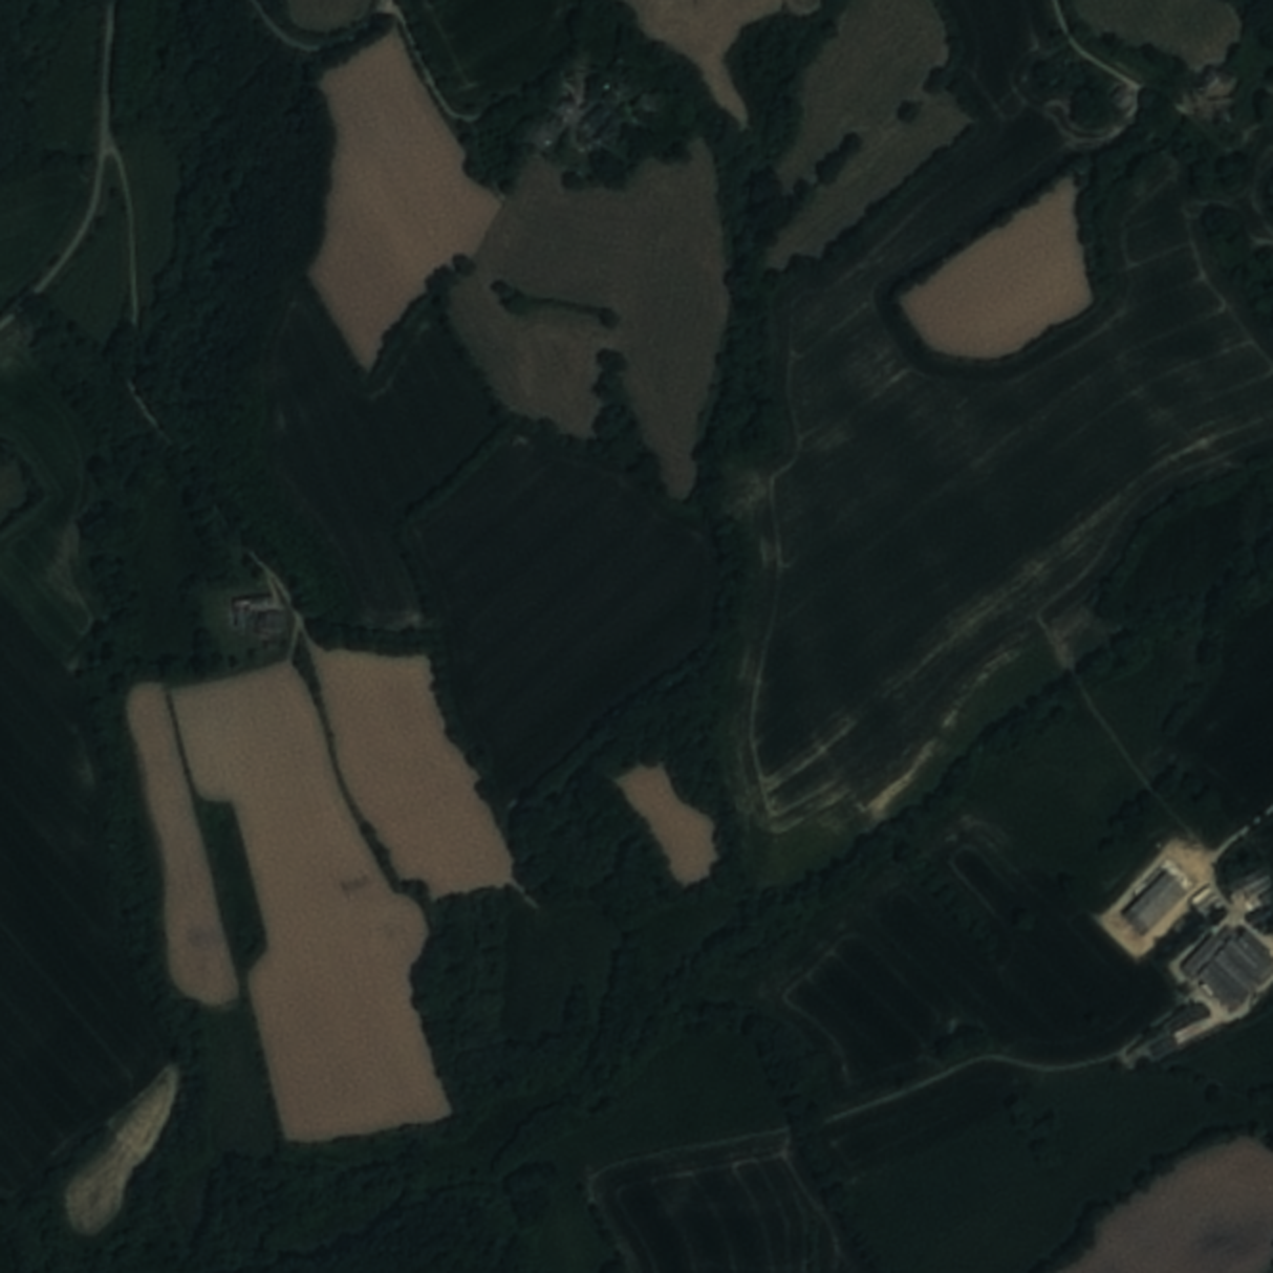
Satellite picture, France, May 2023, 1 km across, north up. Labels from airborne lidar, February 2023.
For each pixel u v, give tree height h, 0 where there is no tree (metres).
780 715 0
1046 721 12
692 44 0
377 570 0
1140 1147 0
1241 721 0
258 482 12
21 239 0
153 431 14
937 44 0
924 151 0
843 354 0
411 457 0
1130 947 0
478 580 0
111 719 9
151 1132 0
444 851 0
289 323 0
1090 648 0
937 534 0
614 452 18
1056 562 0
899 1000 0
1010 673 0
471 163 8
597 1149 0
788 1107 15
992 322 0
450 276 13
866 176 0
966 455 0
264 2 13
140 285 0
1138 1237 0
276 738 0
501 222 0
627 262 0
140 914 14
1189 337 0
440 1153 0
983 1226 0
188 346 9
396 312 0
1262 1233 0
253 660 10
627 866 21
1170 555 0
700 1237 0
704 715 11
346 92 0
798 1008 0
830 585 0
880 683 0
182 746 0
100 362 12
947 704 0
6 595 0
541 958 0
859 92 0
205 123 11
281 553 16
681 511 8
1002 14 0
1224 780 0
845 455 0
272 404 0
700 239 0
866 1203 0
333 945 0
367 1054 0
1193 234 0
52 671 0
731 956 9
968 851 0
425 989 18
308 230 13
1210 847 0
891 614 0
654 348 0
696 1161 0
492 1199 8
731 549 17
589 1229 0
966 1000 0
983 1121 0
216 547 10
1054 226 0
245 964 0
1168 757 0
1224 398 0
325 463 0
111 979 0
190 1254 7
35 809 0
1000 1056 0
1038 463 0
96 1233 0
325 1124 0
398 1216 15
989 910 0
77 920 0
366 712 0
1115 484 0
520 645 0
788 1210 0
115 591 14
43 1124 0
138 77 15
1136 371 0
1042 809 0
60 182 0
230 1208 15
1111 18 0
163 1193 15
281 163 22
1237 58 11
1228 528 0
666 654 0
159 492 0
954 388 0
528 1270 9
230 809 0
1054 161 0
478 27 0
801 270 13
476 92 0
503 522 0
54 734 0
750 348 22
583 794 21
